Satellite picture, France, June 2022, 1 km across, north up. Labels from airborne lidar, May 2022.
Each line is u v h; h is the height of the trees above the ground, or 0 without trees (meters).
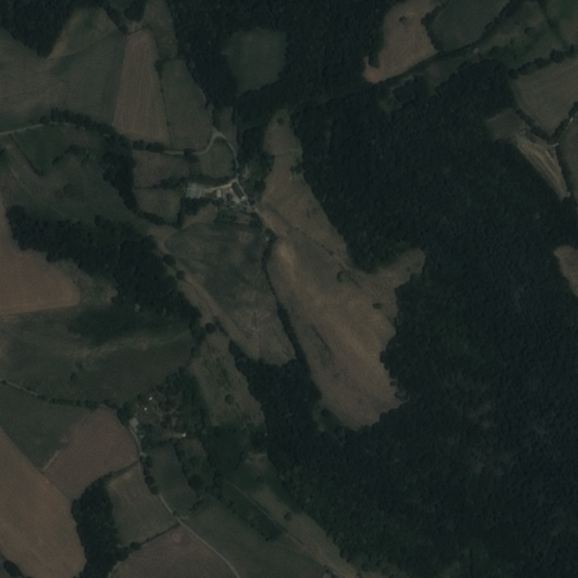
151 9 0
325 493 12
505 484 19
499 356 13
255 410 0
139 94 0
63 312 0
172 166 0
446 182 11
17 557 0
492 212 17
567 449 13
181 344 0
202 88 14
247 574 0
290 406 20
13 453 0
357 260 10
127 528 0
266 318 0
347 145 22
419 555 16
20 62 0
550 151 0
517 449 16
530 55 0
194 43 19
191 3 20
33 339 0
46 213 0
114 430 0
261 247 0
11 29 14
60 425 0
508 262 7
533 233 16
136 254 26
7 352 0
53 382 0
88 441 0
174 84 0
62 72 0
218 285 0
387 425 17
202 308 0
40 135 0
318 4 19
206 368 0
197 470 0
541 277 15
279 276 0
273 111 21
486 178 17
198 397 12
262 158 8
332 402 0
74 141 0
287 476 13
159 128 0
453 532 16
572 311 14
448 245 20
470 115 19
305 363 17
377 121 26
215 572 0
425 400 14
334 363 0
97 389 0
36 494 0
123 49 0
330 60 23
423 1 0
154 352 0
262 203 0
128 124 0
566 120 7
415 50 0
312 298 0
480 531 20
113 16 17
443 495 23
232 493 0
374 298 0
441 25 0
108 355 0
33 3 18
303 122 17
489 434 9
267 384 24
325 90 21
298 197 0
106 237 0
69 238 23
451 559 15
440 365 13
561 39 0
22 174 0
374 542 14
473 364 19
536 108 0
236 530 0
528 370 10
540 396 12
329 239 0
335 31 23
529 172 14
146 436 7
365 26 10
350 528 14
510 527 19
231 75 20
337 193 21
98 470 0
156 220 17
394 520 18
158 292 21
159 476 0
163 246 0
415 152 11
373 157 15
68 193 13
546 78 0
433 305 17
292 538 0
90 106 0
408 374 14
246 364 18
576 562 22
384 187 21
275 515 0
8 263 0
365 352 0
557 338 19
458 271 21
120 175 14
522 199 16
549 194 12
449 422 18
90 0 19
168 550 0
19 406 0
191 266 0
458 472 19
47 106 0
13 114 0
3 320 0
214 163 0
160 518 0
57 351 0
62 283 0
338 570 0
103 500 15
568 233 18
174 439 9
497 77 21
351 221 20
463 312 15
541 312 10
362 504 14
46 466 0
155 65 7
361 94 11
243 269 0
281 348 0
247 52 0
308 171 19
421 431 11
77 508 13
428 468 19
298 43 20
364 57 7
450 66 0
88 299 0
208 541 0
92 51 0
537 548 21
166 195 0
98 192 0
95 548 14
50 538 0
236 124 10
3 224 0
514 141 0
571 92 0
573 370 16
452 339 17
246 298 0
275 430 21
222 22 22
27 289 0
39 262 0
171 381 10
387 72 0
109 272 16
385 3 18
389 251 16
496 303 18
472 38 0
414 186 11
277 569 0
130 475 0
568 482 23
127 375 0
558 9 0
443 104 23
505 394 24
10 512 0
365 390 0
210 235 0
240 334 0
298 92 22
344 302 0
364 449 13
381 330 0
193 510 8
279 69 0
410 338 16
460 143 18
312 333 0
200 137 0
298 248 0
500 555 18
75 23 0
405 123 17
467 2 0
